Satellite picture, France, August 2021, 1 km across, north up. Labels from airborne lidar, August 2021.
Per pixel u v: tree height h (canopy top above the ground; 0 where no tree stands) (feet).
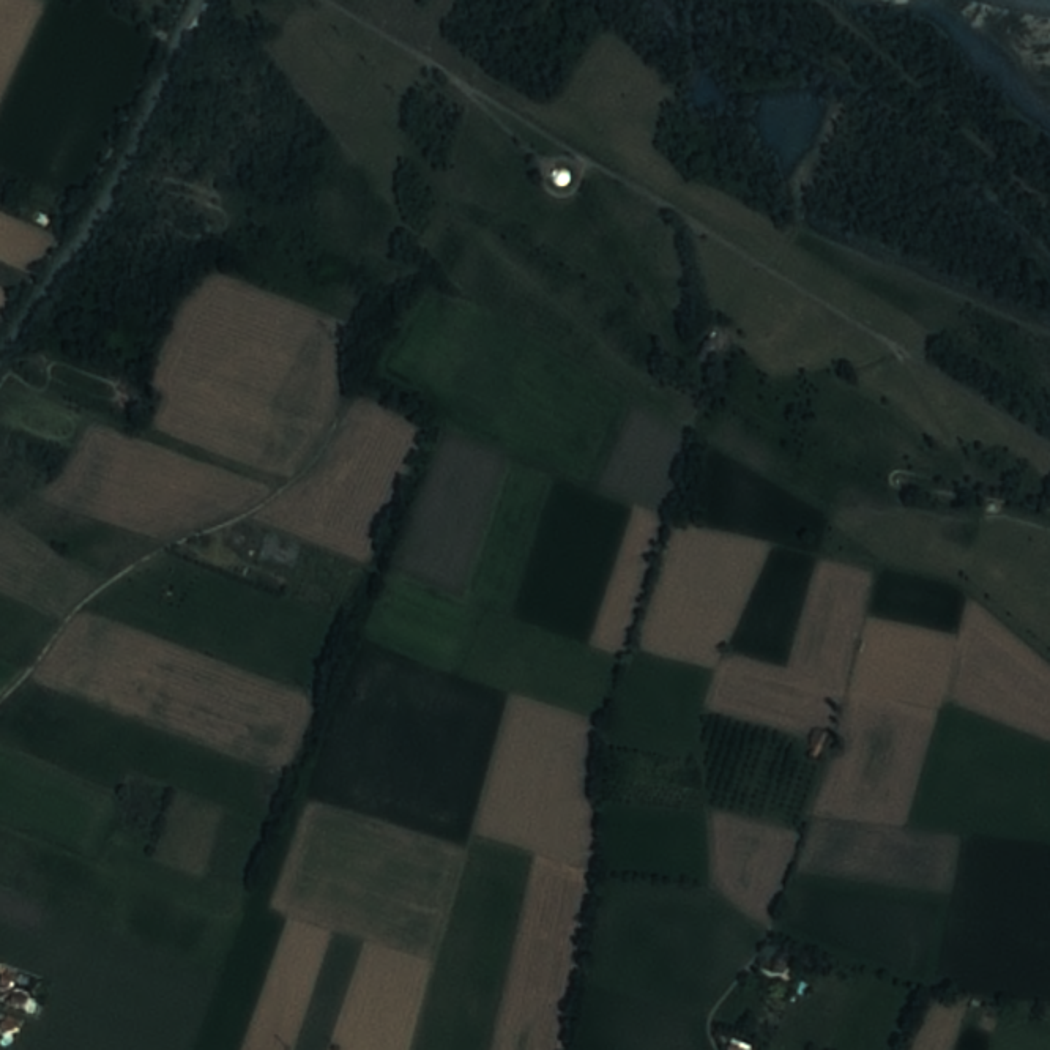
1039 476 0
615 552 0
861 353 0
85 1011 0
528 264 0
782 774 20
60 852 0
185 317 0
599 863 45
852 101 76
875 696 0
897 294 0
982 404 0
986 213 73
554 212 0
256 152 27
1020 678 0
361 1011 0
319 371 0
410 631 0
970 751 0
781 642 0
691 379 88
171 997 0
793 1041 0
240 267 30
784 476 0
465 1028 0
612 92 0
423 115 80
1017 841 0
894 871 0
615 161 0
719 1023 28
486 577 0
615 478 0
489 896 0
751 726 21
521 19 65
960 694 0
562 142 0
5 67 0
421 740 0
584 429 0
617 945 0
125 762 0
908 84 32
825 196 35
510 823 0
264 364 0
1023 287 84
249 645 0
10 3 0
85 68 0
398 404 42
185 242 25
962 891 0
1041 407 68
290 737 0
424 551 0
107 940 0
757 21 49
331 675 69
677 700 0
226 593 0
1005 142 38
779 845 0
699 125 48
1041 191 26
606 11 71
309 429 0
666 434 0
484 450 0
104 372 20
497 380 0
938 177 85
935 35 60
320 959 0
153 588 0
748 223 0
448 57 0
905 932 0
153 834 24
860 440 0
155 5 0
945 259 73
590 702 0
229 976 0
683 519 60
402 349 0
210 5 39
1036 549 0
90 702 0
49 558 0
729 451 0
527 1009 0
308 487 0
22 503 0
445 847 0
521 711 0
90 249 42
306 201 39
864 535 0
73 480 0
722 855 0
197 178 23
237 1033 0
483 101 0
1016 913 0
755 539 0
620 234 0
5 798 0
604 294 0
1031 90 0
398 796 0
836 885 0
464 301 0
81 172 0
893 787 0
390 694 0
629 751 22
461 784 0
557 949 0
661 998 0
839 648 0
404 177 44
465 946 0
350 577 0
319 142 26
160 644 0
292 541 0
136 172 31
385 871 0
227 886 0
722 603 0
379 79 0
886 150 61
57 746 0
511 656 0
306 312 0
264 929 0
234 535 0
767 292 0
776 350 0
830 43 58
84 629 0
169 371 0
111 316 44
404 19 0
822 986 0
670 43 48
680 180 0
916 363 0
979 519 0
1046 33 0
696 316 92
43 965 0
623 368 0
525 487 0
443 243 0
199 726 0
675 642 0
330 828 0
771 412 0
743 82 39
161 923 0
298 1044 0
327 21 0
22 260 0
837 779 0
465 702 0
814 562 0
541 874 0
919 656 0
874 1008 0
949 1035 0
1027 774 0
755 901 0
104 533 0
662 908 0
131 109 42
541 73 49
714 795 20
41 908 0
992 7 0
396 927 0
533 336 0
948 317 0
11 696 0
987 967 0
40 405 0
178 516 0
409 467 30
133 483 0
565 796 0
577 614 0
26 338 43
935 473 0
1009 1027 0
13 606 0
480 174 0
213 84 37
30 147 0
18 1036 0
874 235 69
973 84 68
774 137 0
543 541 0
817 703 0
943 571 0
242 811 0
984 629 0
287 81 30
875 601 0
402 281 31
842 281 0
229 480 0
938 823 0
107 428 0
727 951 0
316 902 0
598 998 0
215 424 0
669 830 0
